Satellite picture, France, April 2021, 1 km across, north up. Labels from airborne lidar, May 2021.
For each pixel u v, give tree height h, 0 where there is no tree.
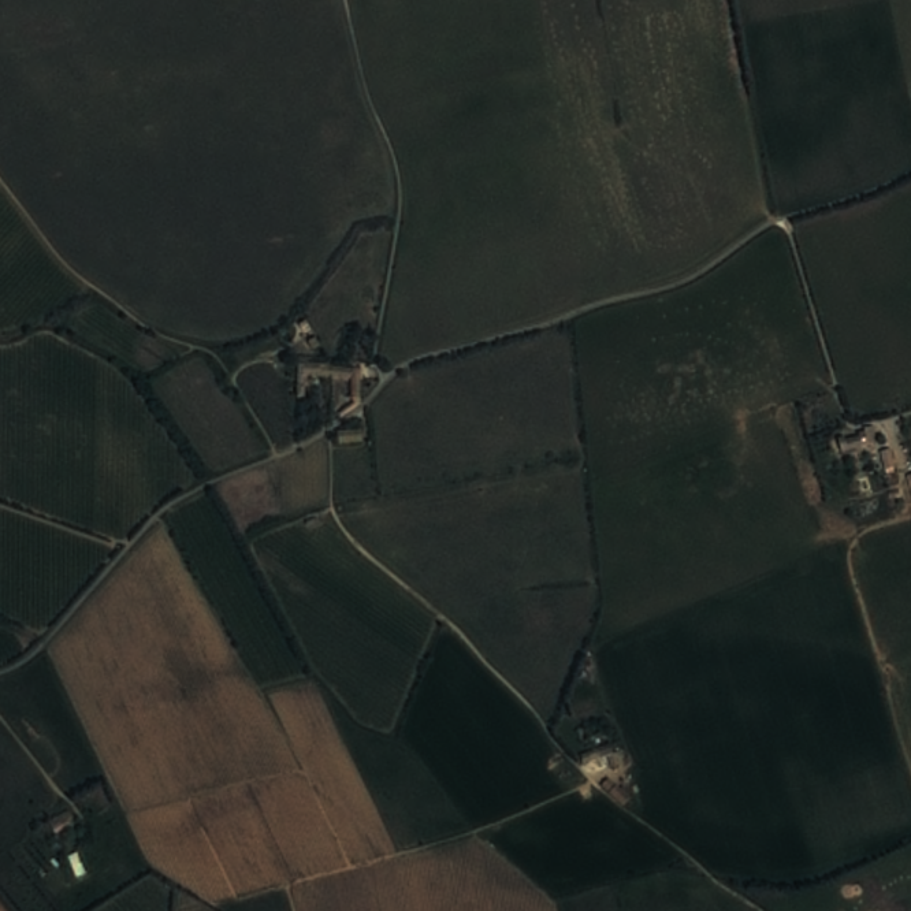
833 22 0
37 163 0
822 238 0
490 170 0
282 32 0
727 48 0
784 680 0
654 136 0
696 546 0
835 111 0
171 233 0
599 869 0
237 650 6
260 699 0
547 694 0
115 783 0
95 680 0
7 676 0
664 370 0
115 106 0
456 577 0
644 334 0
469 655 0
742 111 0
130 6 0
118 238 0
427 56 0
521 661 0
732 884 9
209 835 0
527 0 0
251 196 0
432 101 0
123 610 0
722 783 0
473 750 0
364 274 0
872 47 0
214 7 0
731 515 0
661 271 0
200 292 0
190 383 0
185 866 0
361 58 0
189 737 0
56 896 0
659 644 0
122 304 0
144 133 0
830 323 0
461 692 0
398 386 0
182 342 0
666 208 0
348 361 8
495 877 0
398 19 0
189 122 0
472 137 0
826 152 0
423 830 0
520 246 0
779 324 0
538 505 0
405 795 0
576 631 0
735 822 0
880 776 0
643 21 0
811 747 0
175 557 0
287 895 0
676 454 0
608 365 0
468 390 0
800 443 0
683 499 0
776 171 0
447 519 0
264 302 0
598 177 0
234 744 0
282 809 0
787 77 0
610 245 0
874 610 0
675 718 0
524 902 0
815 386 0
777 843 0
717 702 0
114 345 0
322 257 0
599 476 0
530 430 0
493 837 0
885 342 0
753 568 0
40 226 0
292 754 0
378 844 0
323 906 0
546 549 0
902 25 0
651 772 0
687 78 0
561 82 0
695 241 0
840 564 0
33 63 0
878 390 0
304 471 0
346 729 0
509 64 0
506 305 0
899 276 0
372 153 0
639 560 0
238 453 0
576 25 0
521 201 0
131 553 0
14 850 0
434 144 0
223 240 0
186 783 0
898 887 0
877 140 0
